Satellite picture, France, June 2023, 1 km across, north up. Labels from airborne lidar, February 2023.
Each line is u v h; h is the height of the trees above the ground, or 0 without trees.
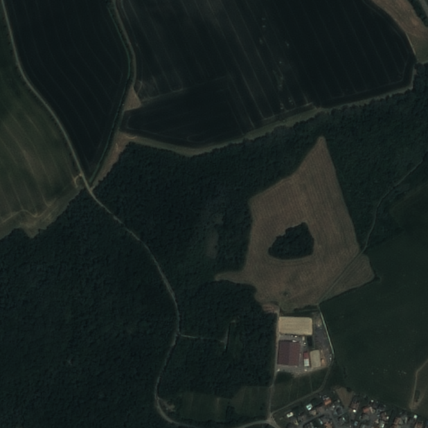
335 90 0
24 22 0
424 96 22
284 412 0
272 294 0
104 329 21
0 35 0
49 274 22
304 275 0
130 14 0
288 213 0
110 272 25
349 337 0
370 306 0
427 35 0
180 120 0
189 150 0
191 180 23
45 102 0
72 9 0
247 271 0
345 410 0
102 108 0
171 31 0
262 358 20
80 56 0
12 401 21
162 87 0
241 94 0
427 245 0
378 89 0
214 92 0
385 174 8
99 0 0
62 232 7
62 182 0
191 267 9
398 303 0
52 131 0
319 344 0
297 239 16
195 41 0
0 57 0
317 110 0
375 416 0
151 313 6
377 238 6
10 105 0
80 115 0
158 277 16
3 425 21
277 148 23
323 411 0
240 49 0
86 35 0
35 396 20
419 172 5
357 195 6
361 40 0
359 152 6
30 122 0
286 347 0
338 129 15
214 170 13
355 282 0
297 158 17
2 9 0
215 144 0
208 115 0
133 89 0
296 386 0
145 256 22
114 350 22
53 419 20
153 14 0
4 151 0
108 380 24
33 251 12
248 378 20
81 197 14
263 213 0
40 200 0
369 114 8
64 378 23
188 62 0
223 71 0
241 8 0
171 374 15
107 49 0
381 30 0
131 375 25
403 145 7
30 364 24
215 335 18
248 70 0
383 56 0
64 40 0
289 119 0
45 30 0
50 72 0
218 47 0
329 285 0
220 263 8
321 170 0
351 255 0
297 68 0
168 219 22
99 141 0
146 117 0
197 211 22
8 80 0
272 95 0
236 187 10
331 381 0
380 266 0
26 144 0
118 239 23
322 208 0
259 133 0
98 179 0
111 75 0
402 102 23
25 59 0
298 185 0
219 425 14
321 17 0
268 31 0
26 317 22
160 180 25
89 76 0
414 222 0
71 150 0
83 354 18
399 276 0
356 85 0
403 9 0
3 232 0
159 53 0
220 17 0
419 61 0
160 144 0
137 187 28
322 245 0
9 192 0
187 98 0
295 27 0
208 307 19
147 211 26
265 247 0
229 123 0
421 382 0
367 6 0
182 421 11
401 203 0
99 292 21
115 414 23
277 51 0
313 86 0
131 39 0
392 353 0
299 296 0
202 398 0
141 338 21
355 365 0
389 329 0
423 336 0
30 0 0
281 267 0
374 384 0
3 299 22
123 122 0
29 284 22
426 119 7
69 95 0
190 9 0
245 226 15
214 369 20
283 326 0
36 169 0
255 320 16
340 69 0
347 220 0
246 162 19
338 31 0
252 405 0
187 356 11
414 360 0
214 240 0
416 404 0
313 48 0
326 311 0
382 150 6
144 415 19
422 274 0
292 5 0
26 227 0
